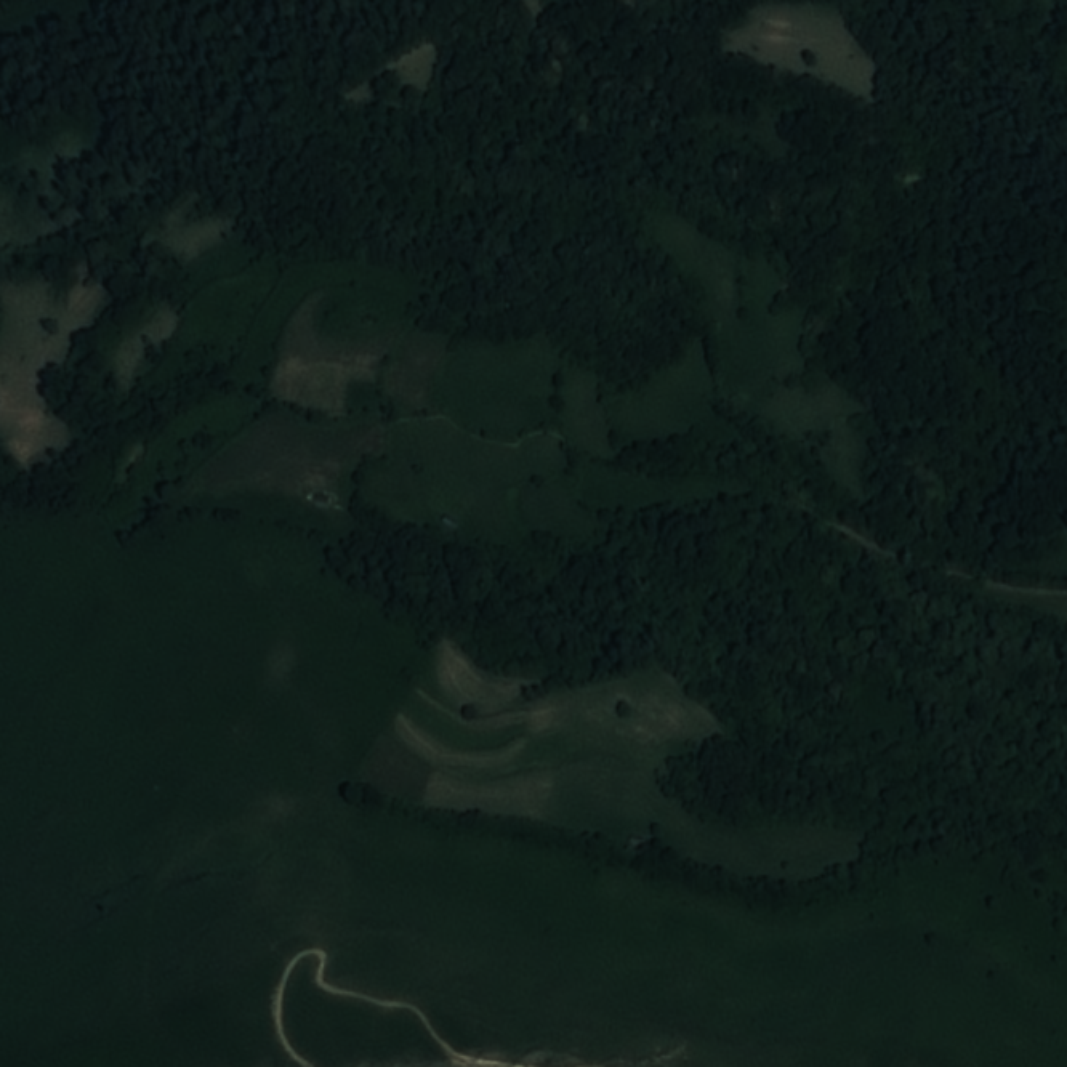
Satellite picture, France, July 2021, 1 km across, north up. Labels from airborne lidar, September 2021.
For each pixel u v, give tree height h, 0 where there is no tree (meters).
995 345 10
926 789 10
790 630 17
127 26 19
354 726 0
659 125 20
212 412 0
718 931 0
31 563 0
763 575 22
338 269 0
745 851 0
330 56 18
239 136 17
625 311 15
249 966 0
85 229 13
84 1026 0
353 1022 0
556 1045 0
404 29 17
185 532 0
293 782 0
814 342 18
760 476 12
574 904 0
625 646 25
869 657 20
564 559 10
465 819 17
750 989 0
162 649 0
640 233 14
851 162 11
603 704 0
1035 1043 0
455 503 0
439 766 0
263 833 0
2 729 0
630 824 0
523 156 36
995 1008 0
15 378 0
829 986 0
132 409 8
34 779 0
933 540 15
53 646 0
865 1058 0
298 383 0
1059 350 16
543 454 0
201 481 0
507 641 11
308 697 0
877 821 7
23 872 0
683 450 12
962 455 28
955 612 22
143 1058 0
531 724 0
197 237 0
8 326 0
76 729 0
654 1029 0
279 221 9
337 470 0
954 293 16
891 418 23
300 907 0
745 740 16
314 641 0
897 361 27
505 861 0
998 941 0
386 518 9
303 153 18
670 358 15
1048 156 22
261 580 0
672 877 9
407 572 20
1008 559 22
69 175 21
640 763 0
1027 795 15
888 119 24
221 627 0
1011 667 23
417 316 6
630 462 14
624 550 11
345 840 0
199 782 0
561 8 20
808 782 18
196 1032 0
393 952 0
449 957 0
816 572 13
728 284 0
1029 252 22
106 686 0
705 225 16
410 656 0
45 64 17
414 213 10
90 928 0
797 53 0
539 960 0
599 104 23
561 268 11
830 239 16
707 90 9
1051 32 15
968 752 20
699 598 10
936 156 16
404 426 0
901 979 0
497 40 15
